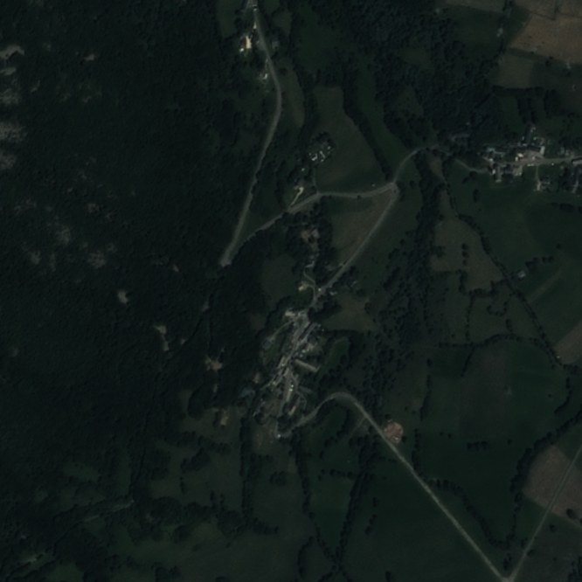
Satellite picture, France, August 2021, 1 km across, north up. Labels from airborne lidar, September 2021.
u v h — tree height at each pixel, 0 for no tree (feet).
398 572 0
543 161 0
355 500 40
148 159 45
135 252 73
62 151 27
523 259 0
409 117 61
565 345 0
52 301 38
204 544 0
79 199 52
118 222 55
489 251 54
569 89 0
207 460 49
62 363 34
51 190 64
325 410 42
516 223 0
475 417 0
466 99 49
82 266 45
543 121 0
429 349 0
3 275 48
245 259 71
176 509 43
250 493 32
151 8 37
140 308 77
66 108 52
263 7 31
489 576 0
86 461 46
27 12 54
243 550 0
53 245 43
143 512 62
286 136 33
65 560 79
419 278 20
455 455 0
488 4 0
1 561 47
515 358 0
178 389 93
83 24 69
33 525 65
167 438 65
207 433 0
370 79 0
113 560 37
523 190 0
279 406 0
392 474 0
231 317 50
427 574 0
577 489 0
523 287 0
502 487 0
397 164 0
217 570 0
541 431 0
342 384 27
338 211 0
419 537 0
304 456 43
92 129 54
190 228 76
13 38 47
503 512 0
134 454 42
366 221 0
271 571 0
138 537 25
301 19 28
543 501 0
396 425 0
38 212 20
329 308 51
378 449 52
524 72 0
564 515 0
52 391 71
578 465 0
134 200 35
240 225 0
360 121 77
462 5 0
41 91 46
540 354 0
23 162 38
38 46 44
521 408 0
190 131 63
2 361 85
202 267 29
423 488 0
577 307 0
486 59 26
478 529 0
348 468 0
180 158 83
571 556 0
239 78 44
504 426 0
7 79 21
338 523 0
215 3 43
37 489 61
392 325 0
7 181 30
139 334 76
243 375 60
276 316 60
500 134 90
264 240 64
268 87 0
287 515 0
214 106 47
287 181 24
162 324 80
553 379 0
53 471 43
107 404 98
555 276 0
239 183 47
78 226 38
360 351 35
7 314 35
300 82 32
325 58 0
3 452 37
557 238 0
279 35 29
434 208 51
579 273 0
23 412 62
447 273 25
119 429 71
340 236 0
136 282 95
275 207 0
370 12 58
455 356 0
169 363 41
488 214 0
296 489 0
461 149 47
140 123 52
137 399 65
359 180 0
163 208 52
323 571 0
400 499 0
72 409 91
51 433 82
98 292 67
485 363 0
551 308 0
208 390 69
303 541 0
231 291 65
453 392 0
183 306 96
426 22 57
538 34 0
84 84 26
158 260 24
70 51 67
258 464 66
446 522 0
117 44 51
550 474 0
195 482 0
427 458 0
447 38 59
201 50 83
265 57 0
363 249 0
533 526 0
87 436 71
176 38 48
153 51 31
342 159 0
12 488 63
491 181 0
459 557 0
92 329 61
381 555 0
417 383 0
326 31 0
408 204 0
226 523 53
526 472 56
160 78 81
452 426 0
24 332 46
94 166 30
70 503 0
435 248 37
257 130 26
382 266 0
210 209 53
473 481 0
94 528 0
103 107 48
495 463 0
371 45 34
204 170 42
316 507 0
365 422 0
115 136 59
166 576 54
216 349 69
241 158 29
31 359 38
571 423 31
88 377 45
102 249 22
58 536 90
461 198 0
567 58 0
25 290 56
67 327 65
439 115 70
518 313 0
